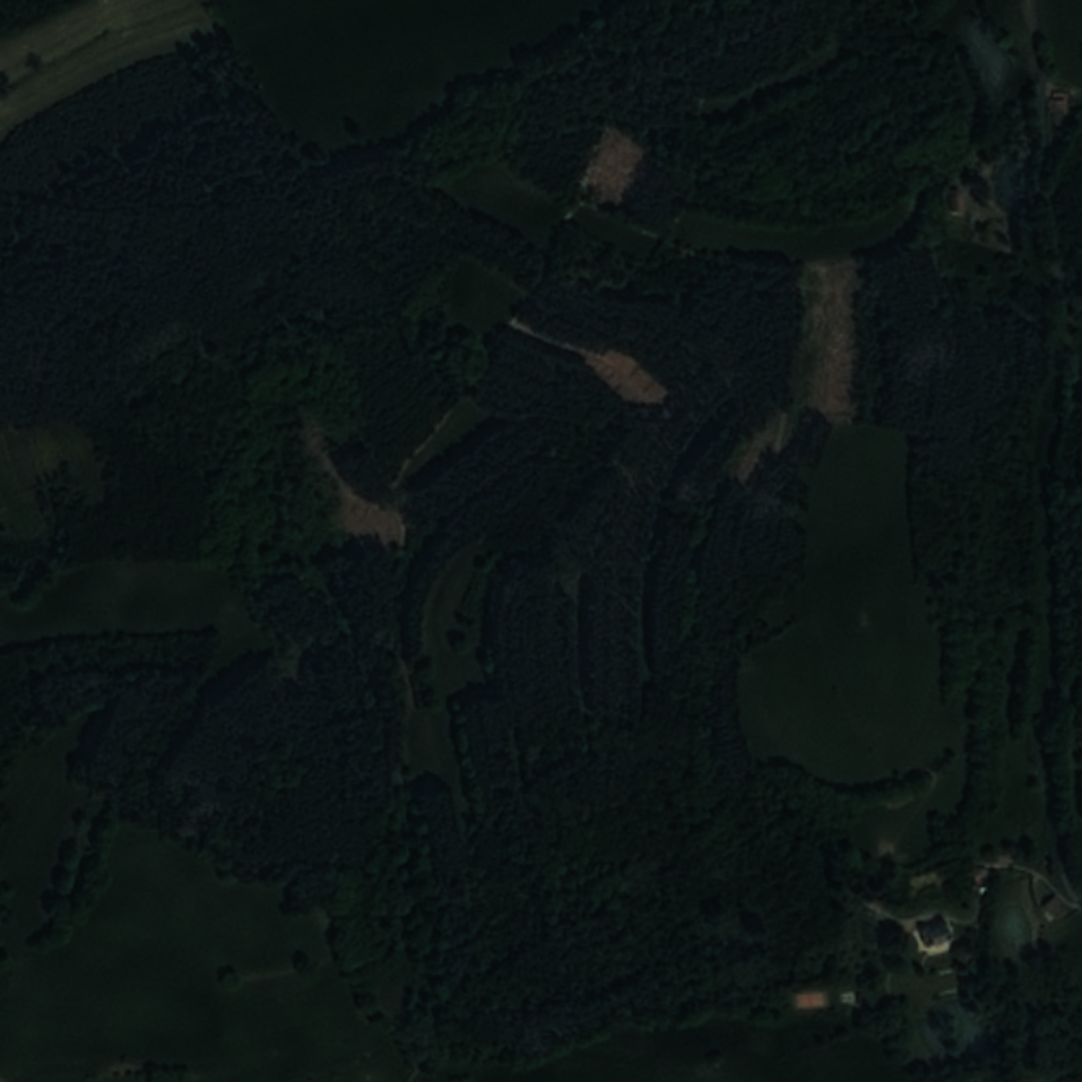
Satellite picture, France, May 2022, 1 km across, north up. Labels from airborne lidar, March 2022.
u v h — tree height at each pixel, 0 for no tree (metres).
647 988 23
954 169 20
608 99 17
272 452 25
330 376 19
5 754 13
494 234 19
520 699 30
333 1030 0
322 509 7
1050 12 0
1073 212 15
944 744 0
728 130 16
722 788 23
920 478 8
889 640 0
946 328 26
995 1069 21
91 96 8
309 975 18
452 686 0
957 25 0
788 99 19
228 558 15
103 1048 0
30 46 0
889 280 22
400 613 5
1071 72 0
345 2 0
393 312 15
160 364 6
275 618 26
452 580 0
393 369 8
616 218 15
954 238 0
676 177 26
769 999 17
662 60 21
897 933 23
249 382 22
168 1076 15
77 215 30
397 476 10
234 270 24
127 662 8
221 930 0
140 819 22
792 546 21
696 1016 25
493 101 22
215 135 23
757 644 17
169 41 0
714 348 29
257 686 30
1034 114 20
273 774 24
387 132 0
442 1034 18
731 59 23
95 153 26
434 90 0
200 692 0
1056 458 13
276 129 29
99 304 25
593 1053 0
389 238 22
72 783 8
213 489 18
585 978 12
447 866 28
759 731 0
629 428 28
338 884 26
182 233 20
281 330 21
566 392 28
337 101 0
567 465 13
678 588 24
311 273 22
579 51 22
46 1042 0
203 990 0
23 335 25
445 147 22
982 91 21
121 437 13
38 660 10
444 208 20
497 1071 0
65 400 24
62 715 23
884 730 0
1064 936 0
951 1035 18
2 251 10
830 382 0
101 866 15
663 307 29
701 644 21
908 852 0
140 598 0
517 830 22
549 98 25
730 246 0
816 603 0
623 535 26
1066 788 18
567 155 19
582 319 29
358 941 26
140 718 27
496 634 27
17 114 0
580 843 22
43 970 0
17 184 10
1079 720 17
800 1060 0
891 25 15
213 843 14
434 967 20
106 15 0
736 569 20
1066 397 15
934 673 0
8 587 20
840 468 0
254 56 0
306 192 27
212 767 25
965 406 22
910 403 19
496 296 0
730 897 15
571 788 21
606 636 25
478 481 27
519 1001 8
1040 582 8
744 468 0
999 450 18
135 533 10
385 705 26
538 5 0
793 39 17
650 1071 0
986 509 11
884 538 0
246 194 24
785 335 27
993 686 28
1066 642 18
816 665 0
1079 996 11
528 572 30
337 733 17
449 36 0
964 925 0
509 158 19
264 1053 0
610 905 25
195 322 19
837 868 21
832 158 15
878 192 14
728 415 29
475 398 26
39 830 0
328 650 36
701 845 11
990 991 23
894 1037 27
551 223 0
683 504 19
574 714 24
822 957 7
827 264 0
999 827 0
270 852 18
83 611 0
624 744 19
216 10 6
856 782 0
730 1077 0
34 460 0
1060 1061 22
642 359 29
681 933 16
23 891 0
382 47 0
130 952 0
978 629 25
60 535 7
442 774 0
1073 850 15
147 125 9
